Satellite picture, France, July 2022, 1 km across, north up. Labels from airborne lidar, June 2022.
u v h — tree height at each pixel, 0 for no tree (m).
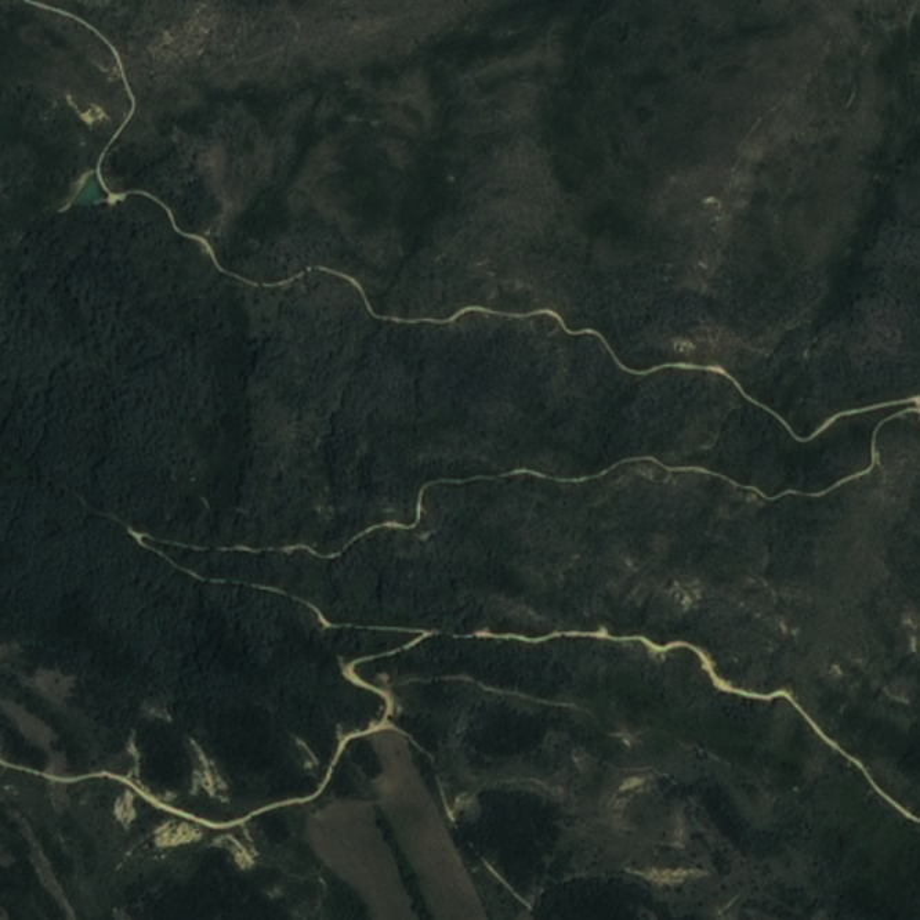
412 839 0
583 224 0
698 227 0
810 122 0
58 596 14
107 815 0
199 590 14
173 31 12
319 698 10
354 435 11
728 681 0
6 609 13
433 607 12
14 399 8
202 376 12
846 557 0
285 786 9
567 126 0
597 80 0
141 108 0
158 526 10
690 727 10
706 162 0
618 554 0
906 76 0
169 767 6
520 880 6
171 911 7
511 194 0
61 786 0
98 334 12
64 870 8
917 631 0
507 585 8
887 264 6
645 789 0
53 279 10
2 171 8
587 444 12
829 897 9
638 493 0
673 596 0
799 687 0
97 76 0
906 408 0
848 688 0
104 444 9
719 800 7
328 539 7
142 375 13
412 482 8
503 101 0
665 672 8
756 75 0
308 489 8
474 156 0
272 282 0
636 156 0
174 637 16
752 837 13
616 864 0
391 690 0
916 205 0
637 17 0
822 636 0
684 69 0
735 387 0
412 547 8
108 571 15
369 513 9
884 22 0
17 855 6
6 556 15
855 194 0
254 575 12
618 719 0
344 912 8
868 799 12
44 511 16
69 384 12
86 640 11
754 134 0
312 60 0
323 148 0
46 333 13
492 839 8
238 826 0
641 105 0
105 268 10
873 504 0
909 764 9
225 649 12
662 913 7
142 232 10
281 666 11
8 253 9
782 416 0
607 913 8
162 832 0
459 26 0
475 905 0
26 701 6
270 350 12
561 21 0
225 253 9
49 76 0
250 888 6
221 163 0
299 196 0
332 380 10
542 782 0
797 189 0
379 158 0
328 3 0
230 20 0
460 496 7
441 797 0
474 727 10
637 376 0
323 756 7
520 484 7
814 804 9
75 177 11
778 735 0
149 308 7
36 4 0
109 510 12
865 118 0
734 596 0
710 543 0
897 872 0
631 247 0
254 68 0
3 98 10
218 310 12
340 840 0
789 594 0
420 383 10
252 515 7
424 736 6
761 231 0
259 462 8
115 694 8
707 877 0
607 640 0
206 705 7
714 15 0
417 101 0
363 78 0
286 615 14
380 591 12
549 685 9
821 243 0
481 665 13
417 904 11
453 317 0
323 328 7
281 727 8
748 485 0
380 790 0
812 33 0
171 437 9
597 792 0
